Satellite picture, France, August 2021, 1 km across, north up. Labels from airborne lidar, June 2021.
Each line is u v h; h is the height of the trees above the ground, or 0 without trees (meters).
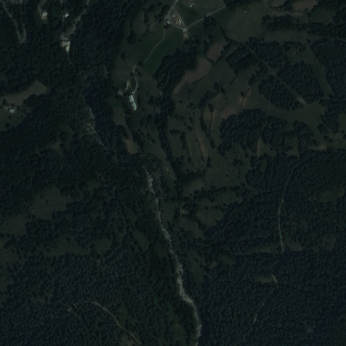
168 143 13
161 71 14
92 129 12
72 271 21
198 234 0
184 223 0
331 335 26
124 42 0
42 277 20
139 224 19
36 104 16
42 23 0
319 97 12
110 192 24
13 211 11
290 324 19
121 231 28
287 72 24
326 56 22
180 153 0
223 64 0
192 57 16
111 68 10
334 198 0
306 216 18
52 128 19
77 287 25
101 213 18
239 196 19
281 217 11
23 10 15
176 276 9
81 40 12
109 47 20
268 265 26
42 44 17
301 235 19
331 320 24
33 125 26
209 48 22
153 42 0
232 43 18
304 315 19
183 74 17
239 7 18
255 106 0
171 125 0
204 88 0
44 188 22
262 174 29
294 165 21
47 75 23
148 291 24
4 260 0
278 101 21
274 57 22
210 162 13
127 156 14
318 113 0
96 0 0
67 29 9
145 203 18
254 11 0
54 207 0
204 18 0
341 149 11
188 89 0
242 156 0
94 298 21
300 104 10
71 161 24
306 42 0
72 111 11
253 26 0
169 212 0
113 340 30
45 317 24
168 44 0
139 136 15
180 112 0
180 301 8
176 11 0
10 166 27
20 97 0
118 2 19
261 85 0
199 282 0
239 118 9
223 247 24
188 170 8
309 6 0
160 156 0
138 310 26
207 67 0
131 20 14
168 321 26
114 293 26
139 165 21
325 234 11
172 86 11
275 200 20
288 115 0
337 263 13
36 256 18
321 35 14
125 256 28
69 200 0
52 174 22
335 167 21
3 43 24
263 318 23
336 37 15
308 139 24
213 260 23
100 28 23
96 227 15
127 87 0
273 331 23
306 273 31
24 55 28
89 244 30
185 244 17
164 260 15
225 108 0
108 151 19
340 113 25
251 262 25
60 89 18
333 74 25
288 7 12
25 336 25
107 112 18
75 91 29
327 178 20
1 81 0
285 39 0
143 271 14
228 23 0
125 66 0
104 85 7
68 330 26
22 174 20
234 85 0
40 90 0
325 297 14
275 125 13
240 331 24
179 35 0
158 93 0
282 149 20
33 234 19
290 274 30
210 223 0
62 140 15
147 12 12
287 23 23
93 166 24
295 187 22
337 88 25
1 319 23
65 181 28
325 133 21
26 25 15
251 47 13
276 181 23
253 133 27
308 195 15
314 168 24
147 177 10
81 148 26
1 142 27
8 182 27
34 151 20
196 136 0
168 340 27
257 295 24
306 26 7
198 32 0
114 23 23
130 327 11
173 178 0
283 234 6
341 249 10
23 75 26
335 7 15
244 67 15
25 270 6
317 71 0
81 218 25
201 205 0
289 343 17
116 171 23
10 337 25
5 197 23
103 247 0
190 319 8
